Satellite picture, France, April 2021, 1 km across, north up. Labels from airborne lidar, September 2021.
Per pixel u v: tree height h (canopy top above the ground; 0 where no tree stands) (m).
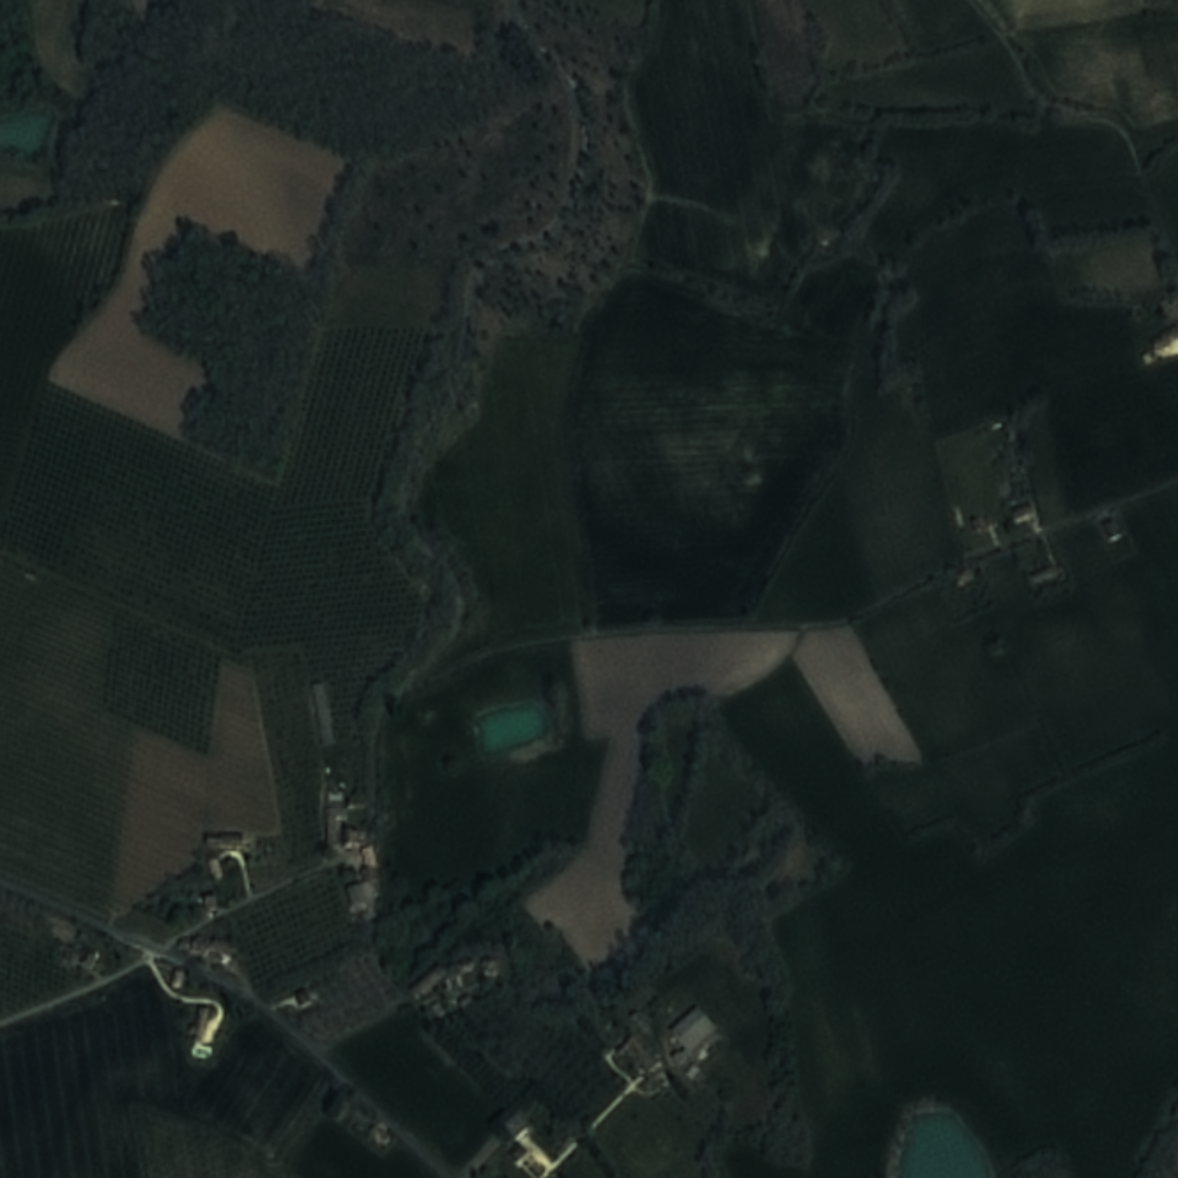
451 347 17
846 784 0
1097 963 0
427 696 9
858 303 0
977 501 0
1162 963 0
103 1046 0
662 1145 0
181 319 22
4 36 18
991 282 0
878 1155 0
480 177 0
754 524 0
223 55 14
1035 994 0
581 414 0
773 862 18
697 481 0
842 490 0
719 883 18
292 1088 0
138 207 16
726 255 0
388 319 0
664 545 0
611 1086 11
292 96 20
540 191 17
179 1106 0
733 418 0
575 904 0
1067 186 0
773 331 0
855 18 0
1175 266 18
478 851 0
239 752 0
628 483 0
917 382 9
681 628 0
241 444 21
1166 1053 0
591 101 20
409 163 11
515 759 0
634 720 0
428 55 17
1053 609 0
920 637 0
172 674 6
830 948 0
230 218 0
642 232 0
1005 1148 0
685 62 0
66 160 16
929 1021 0
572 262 11
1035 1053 0
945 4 0
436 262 0
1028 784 0
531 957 8
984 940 0
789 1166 18
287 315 21
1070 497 0
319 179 0
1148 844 0
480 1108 0
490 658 0
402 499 17
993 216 0
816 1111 0
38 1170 0
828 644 0
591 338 0
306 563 5
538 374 0
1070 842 0
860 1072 0
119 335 0
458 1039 8
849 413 0
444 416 17
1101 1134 0
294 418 11
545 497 0
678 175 0
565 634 0
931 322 0
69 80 0
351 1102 15
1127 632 0
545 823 0
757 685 0
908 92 0
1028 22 0
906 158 0
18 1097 0
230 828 0
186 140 19
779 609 0
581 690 0
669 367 0
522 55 19
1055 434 0
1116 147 0
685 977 0
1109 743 0
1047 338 0
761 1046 0
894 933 0
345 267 13
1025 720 0
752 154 0
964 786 0
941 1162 0
